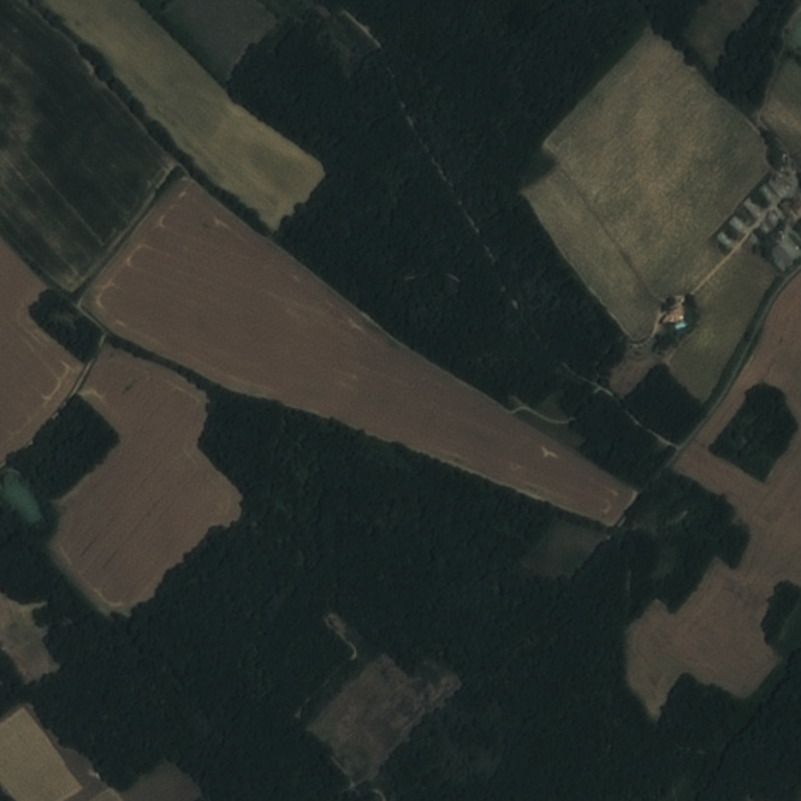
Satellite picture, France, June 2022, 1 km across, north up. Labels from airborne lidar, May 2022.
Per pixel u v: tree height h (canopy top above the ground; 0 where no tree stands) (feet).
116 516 0
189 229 0
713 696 41
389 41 32
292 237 51
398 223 50
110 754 64
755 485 0
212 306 0
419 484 70
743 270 0
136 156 0
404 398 0
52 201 0
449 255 24
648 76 0
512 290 36
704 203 0
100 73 64
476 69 43
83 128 0
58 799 0
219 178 0
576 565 0
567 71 61
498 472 0
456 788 22
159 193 28
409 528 37
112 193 0
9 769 0
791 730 66
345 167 54
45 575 79
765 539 0
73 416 44
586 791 56
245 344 0
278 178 0
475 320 33
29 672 0
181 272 0
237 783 42
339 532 71
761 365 0
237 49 0
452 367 41
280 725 58
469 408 0
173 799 0
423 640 59
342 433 47
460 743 32
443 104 42
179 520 0
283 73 53
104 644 74
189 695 60
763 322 0
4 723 0
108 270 0
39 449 32
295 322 0
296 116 61
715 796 60
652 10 61
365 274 63
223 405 49
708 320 0
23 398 0
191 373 36
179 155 26
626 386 0
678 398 33
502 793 42
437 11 39
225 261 0
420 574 75
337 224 28
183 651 67
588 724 59
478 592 52
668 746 51
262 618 47
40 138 0
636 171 0
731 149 0
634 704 40
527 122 57
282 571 52
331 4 43
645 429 37
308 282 0
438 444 0
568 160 0
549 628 54
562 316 46
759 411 46
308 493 32
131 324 0
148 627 68
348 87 51
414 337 47
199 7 0
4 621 0
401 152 48
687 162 0
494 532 40
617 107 0
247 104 44
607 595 53
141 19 0
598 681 61
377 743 0
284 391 0
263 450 54
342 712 0
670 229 0
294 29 32
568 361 28
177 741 61
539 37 59
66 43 0
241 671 43
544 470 0
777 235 29
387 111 31
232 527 36
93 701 57
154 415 0
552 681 55
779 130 0
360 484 62
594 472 0
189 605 63
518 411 0
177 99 0
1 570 49
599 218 0
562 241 0
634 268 0
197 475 0
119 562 0
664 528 33
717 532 66
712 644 0
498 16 55
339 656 37
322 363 0
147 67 0
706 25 0
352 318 0
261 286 0
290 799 61
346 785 37
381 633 43
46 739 0
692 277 0
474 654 63
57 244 0
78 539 0
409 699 0
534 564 0
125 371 0
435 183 34
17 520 31
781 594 34
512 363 39
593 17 60
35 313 50
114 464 0
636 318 0
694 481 24
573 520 28
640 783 52
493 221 42
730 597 0
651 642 0
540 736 45
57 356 0
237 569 48
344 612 47
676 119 0
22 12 0
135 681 60
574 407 27
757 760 58
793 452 0
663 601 29
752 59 54
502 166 35
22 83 0
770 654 0
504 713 22
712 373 0
